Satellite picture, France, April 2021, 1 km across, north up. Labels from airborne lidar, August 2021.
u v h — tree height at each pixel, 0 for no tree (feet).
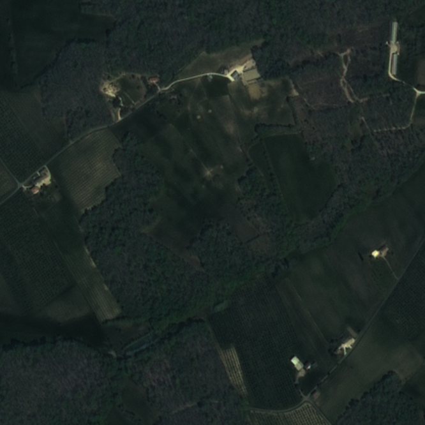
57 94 60
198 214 0
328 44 62
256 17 64
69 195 0
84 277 0
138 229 73
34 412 67
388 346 0
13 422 49
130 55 63
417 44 32
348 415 39
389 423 69
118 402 76
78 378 37
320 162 21
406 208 0
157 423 0
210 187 0
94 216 56
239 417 70
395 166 59
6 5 0
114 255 76
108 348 0
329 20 53
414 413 59
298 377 0
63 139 0
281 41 39
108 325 39
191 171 0
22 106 0
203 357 41
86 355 64
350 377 0
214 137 0
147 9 66
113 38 69
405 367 0
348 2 64
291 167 0
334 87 46
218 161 0
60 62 45
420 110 0
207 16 54
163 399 52
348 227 0
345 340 0
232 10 44
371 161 60
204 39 60
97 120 50
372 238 0
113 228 22
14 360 75
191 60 47
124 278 66
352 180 69
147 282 61
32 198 21
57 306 0
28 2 0
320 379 0
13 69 24
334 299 0
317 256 0
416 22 0
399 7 69
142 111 0
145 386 63
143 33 97
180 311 74
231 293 43
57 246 0
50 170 0
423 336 0
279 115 0
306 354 0
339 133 61
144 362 55
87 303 0
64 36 0
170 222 0
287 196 0
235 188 0
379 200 37
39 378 57
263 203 71
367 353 0
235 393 53
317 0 69
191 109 0
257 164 0
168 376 54
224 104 0
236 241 37
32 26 0
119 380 70
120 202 68
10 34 23
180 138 0
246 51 0
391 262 0
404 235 0
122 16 49
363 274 0
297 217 0
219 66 0
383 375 0
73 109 48
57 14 0
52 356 73
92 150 0
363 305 0
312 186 0
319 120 63
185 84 0
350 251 0
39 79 43
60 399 58
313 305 0
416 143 45
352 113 54
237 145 0
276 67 68
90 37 0
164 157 0
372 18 71
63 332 0
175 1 71
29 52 0
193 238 0
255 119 0
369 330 0
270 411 0
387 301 0
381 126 59
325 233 34
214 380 60
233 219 0
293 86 31
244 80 0
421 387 0
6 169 0
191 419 41
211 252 66
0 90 0
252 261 62
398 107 62
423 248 0
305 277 0
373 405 61
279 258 41
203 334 58
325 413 0
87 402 64
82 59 64
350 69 0
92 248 53
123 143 44
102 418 72
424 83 0
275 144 0
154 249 75
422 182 0
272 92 0
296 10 64
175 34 60
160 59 74
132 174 43
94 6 39
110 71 38
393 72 0
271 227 65
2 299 0
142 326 40
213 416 34
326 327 0
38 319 0
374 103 72
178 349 38
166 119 28
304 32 62
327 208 43
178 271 68
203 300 84
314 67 71
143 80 30
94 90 56
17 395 53
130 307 49
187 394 62
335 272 0
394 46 0
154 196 66
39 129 0
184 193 0
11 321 0
